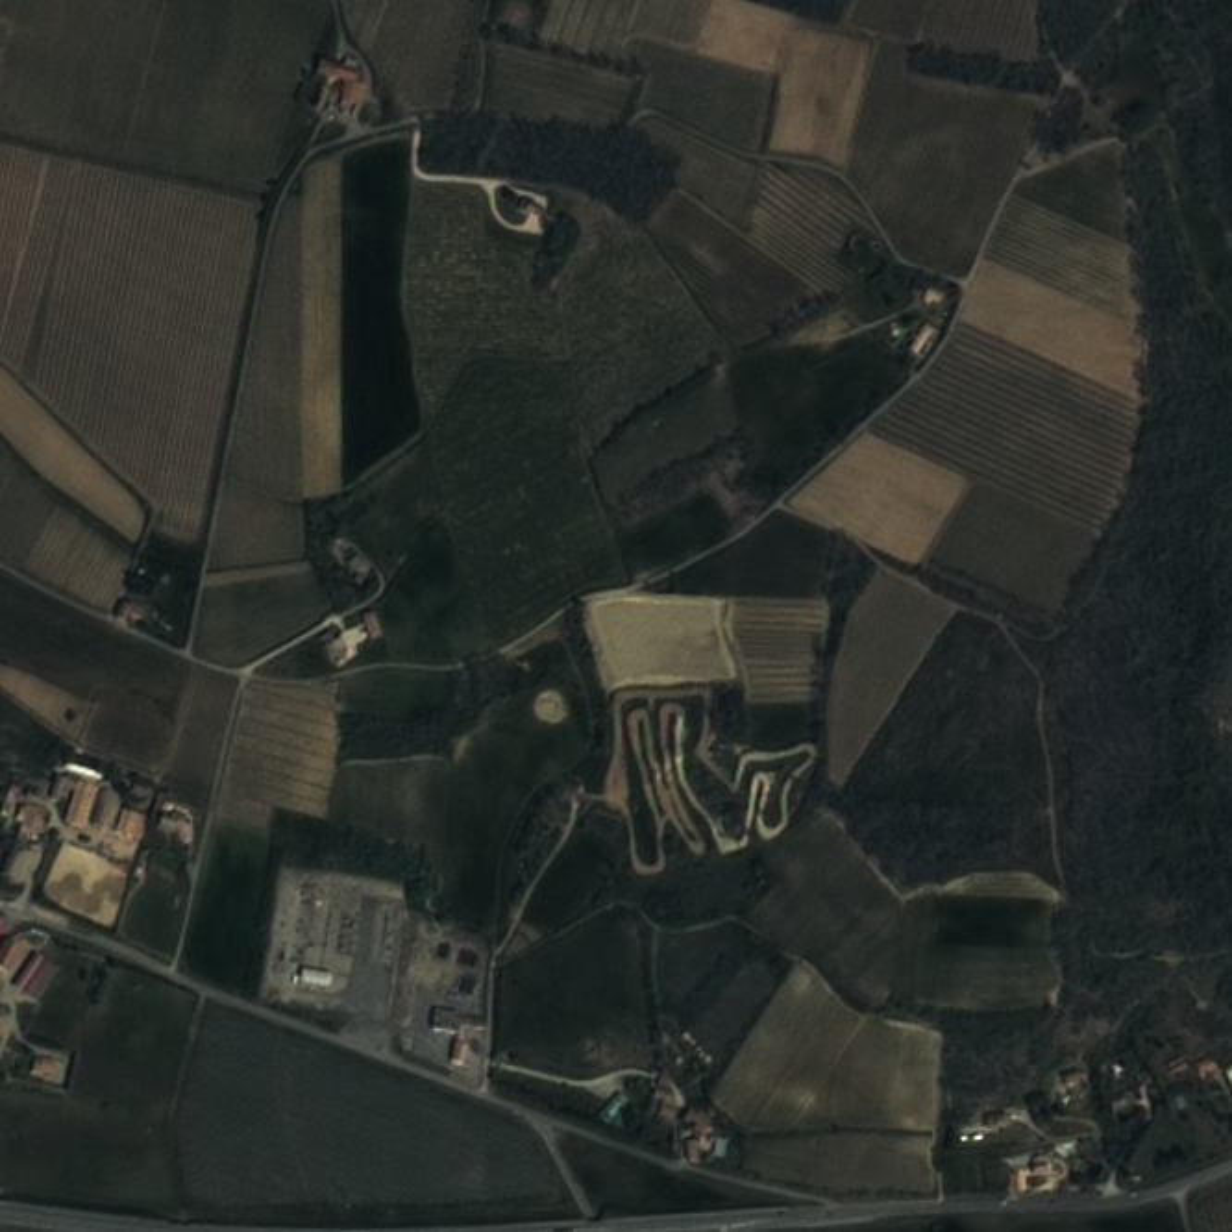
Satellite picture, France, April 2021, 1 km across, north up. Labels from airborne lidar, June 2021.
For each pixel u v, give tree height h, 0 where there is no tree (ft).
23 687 0
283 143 0
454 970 0
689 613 0
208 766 0
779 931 0
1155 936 42
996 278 0
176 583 0
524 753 0
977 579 0
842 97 0
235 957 0
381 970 0
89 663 0
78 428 0
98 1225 0
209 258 0
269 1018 0
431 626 0
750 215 0
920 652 0
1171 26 46
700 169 0
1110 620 52
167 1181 0
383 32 0
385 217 0
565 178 57
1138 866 22
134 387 0
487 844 0
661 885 0
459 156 42
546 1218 0
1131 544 22
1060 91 32
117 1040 0
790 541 0
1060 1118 31
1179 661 47
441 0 0
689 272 0
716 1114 25
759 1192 0
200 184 0
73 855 0
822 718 32
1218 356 22
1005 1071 31
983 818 37
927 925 0
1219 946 38
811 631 0
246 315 0
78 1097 0
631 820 0
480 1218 0
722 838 0
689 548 0
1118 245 0
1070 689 52
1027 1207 0
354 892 0
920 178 0
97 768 34
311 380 0
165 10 0
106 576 0
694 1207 0
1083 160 0
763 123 0
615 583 0
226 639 0
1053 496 0
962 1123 53
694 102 0
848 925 0
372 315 0
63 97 0
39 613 0
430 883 23
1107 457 0
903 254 0
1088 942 24
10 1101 0
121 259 0
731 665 0
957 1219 0
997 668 0
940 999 0
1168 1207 0
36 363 0
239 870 0
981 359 0
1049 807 64
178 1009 0
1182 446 23
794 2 25
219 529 0
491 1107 0
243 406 0
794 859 0
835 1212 0
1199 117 39
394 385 0
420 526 0
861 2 0
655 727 0
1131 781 46
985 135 0
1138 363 0
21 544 0
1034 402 0
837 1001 0
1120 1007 41
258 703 0
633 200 65
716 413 0
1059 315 0
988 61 25
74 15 0
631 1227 0
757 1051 0
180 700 0
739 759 0
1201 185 27
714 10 0
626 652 0
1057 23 48
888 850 37
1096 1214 0
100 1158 0
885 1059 0
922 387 0
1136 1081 29
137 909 0
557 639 0
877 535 0
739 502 0
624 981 0
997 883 0
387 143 0
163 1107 0
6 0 0
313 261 0
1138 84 0
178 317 0
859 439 0
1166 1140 0
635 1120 33
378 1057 0
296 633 0
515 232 0
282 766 0
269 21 0
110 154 0
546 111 0
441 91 0
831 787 32
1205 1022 31
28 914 0
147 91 0
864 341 0
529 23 0
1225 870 18
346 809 0
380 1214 0
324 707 0
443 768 0
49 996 0
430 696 0
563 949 0
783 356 0
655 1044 35
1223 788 25
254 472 0
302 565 0
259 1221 0
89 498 0
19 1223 0
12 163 0
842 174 0
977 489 0
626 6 0
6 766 22
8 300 0
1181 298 35
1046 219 0
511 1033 0
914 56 34
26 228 0
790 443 0
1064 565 0
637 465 0
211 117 0
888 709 0
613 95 0
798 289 0
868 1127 0
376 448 0
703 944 0
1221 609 30
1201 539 27
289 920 0
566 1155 0
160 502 0
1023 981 0
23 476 0
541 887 0
